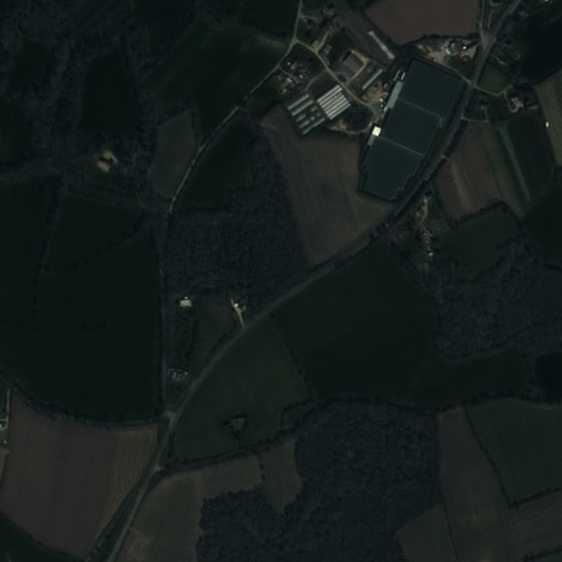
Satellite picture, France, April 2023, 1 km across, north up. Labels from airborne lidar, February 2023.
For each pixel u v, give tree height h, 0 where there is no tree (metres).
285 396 0
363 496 9
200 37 0
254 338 0
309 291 0
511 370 0
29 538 8
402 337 0
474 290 15
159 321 14
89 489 0
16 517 0
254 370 0
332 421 12
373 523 16
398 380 0
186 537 0
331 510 12
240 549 19
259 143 12
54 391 0
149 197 20
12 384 11
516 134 0
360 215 0
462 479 0
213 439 0
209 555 20
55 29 13
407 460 27
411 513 14
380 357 0
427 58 0
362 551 9
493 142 0
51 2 21
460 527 0
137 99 18
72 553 0
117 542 0
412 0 0
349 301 0
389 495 17
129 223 0
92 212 0
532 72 0
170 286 20
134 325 0
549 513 0
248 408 0
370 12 0
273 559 12
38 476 0
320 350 0
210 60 0
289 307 0
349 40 7
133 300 0
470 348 15
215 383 0
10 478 0
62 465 0
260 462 13
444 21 0
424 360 0
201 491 0
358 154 0
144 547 0
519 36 0
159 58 12
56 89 21
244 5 0
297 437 9
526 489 0
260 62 0
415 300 0
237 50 0
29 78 0
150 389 0
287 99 0
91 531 0
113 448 0
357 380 0
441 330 13
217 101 0
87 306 0
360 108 0
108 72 0
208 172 0
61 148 17
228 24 11
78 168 19
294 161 0
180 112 14
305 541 17
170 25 0
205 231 22
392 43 6
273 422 0
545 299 9
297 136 7
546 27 0
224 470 0
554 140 0
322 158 0
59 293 0
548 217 0
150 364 0
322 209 0
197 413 0
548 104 0
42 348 0
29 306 0
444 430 0
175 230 14
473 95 12
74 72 22
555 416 0
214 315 0
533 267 9
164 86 0
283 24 0
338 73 0
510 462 0
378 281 0
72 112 26
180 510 0
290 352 7
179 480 0
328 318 0
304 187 0
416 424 17
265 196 14
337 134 6
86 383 0
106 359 0
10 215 0
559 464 0
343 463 18
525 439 0
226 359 0
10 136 0
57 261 0
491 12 0
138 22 0
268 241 19
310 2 14
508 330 15
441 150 0
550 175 0
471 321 19
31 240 0
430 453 22
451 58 0
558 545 0
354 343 0
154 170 0
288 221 14
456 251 0
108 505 0
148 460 0
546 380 0
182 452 0
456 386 0
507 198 0
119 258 0
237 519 19
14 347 0
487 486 0
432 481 13
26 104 20
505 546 0
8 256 0
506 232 0
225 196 0
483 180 0
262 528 14
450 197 0
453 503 0
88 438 0
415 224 13
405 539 0
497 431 0
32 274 0
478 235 0
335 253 0
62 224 0
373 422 18
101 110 0
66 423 0
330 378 0
